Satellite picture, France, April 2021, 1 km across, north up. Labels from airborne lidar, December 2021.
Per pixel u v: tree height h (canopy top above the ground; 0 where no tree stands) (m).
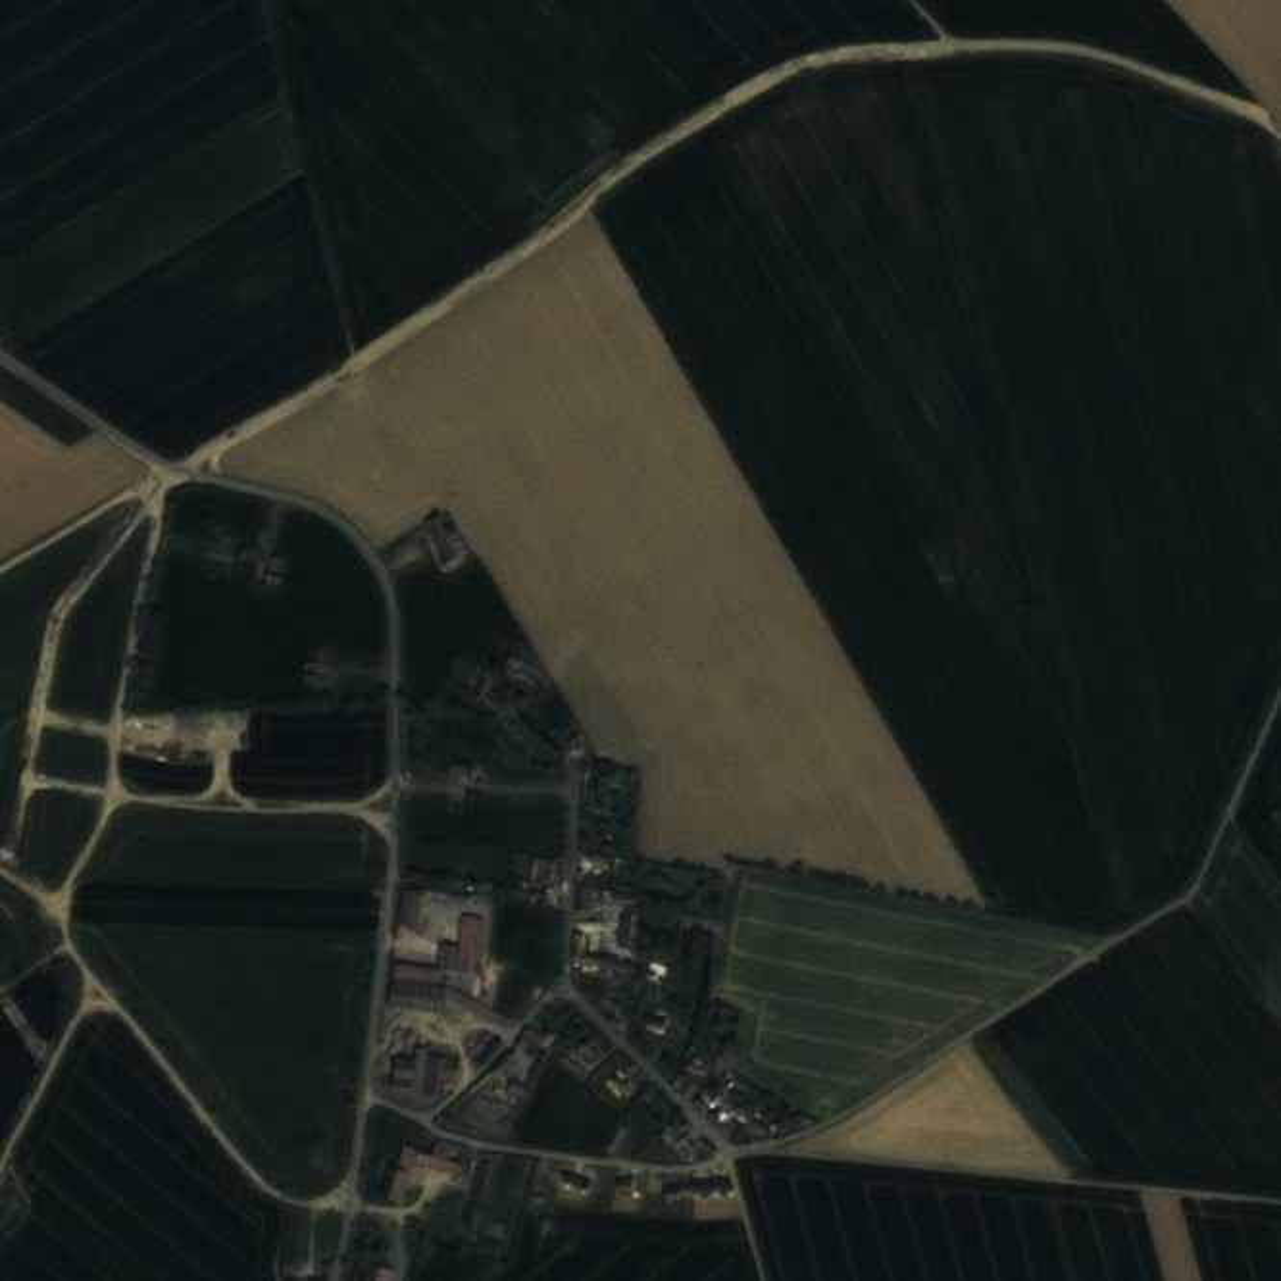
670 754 0
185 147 0
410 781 0
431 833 0
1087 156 0
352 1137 0
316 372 0
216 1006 0
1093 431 0
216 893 0
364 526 0
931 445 0
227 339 0
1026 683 0
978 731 0
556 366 0
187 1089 0
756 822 0
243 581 0
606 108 0
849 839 0
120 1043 0
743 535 0
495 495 0
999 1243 0
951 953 0
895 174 0
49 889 0
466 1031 0
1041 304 0
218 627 0
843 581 0
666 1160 0
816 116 0
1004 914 9
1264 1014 0
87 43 0
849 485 0
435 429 0
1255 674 0
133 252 0
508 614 0
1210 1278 0
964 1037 0
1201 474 0
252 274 0
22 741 0
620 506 0
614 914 0
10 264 0
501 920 0
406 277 0
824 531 0
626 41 0
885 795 0
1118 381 0
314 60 0
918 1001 0
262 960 0
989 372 0
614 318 0
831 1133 0
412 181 0
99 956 0
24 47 0
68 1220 0
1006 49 0
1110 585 0
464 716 9
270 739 0
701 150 0
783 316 0
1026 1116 0
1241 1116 0
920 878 0
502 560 0
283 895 0
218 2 0
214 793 0
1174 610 0
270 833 0
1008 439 0
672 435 0
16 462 0
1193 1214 0
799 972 0
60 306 0
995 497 0
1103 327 0
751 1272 0
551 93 0
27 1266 0
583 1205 0
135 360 0
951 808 0
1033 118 0
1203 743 0
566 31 0
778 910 0
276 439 0
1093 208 0
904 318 0
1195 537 0
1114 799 0
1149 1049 0
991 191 0
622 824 9
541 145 0
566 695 0
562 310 0
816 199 0
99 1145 0
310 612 0
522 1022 0
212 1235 0
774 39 0
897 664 0
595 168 0
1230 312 0
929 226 0
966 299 0
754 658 0
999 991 0
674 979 6
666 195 0
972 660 0
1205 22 0
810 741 0
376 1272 0
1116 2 0
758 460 0
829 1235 0
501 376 0
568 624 0
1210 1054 0
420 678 0
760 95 0
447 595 0
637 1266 0
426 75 0
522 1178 0
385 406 0
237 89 0
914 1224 0
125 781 0
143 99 0
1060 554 0
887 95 0
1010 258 0
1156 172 0
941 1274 0
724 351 0
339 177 0
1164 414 0
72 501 0
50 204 0
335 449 0
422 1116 0
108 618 0
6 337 0
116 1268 0
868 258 0
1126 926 0
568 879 0
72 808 0
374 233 0
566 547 0
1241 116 0
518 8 0
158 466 0
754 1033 0
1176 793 0
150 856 0
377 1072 0
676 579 0
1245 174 0
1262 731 0
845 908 0
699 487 0
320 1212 0
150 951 0
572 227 0
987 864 0
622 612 0
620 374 0
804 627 0
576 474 0
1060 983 0
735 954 0
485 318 0
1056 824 0
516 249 0
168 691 0
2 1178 0
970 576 0
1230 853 0
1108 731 0
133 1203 0
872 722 0
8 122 0
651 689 0
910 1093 0
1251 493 0
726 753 0
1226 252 0
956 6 0
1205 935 0
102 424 0
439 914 0
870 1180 0
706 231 0
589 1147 0
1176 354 0
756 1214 0
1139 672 0
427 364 0
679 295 0
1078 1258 0
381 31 0
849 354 0
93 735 0
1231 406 0
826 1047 0
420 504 0
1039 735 0
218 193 0
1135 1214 0
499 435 0
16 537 0
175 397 0
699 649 0
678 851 0
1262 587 0
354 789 0
